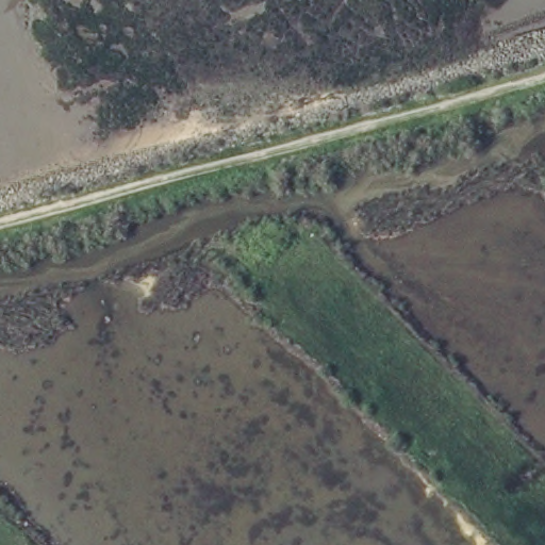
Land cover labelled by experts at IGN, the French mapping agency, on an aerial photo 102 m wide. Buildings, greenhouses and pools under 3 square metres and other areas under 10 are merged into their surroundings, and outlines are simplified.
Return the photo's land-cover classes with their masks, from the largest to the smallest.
<instances>
[{"label":"water","instance_id":"1","mask_svg":"<svg viewBox=\"0 0 545 545\"><path fill-rule=\"evenodd\" d=\"M545 153V134L530 138L522 147L517 155L522 164L530 162L534 155ZM341 189L332 185V192H315L311 196L294 194L277 198L268 189H238L234 194H224L219 198L189 196L185 202L175 204L172 211L155 209L153 219L134 221L126 230L121 241L68 255L64 262H53L47 255L32 260L28 268L9 273L0 270V298H13L30 290H43L53 285H66L70 292V296L57 304L60 326L51 332L45 345L21 351H0V485H9L15 494H19L26 500L32 519L23 526L32 528L40 536L43 545H477L473 536L462 532L456 515V509L451 505H447L439 494L430 492L422 477L407 468L400 460L385 447V441L379 432H375L370 426L362 422L358 413L338 404L334 394L309 364L294 356L290 349H285L279 341H275L266 330L251 326L247 321L245 311L230 298L226 290L209 285L204 292L194 294L183 309L155 307L143 313L138 311V300L145 294L141 287V279L130 283L100 281L102 275L115 270L164 260L181 249H187L198 238H209L219 232H232L241 224H258L260 219H307L321 224L330 215L334 219L338 217L336 198ZM356 241L358 253L362 255L364 264L370 266L375 273L383 275L387 281H392L394 287L404 283L400 296L411 300L422 326L426 328L434 317H441V321L430 330V336L424 341L432 343L443 360H453L460 353L466 356L470 373L479 381H483V387L477 392L481 398L492 400L498 411L509 415L511 411H519L522 426L534 436L530 445L545 456V200L536 192H526L522 187H505L494 189L473 202H460L449 211L434 213L426 221H411L400 230V234L394 236L362 234Z\"/></svg>","mask_w":545,"mask_h":545},{"label":"herbaceous vegetation","instance_id":"2","mask_svg":"<svg viewBox=\"0 0 545 545\"><path fill-rule=\"evenodd\" d=\"M545 70V64H541L532 70L492 77L481 87L496 85L500 81L522 79L526 75ZM528 94L543 96L545 100V83L524 89H511L498 96H490L464 106H453L424 117L385 123L375 130L349 134L298 151L279 153L266 160L217 168L213 172L194 175L160 187H151L130 196L104 200L92 207L75 209L68 213L0 230V241L32 238L38 232H57L66 221H87L102 213H117L123 207L155 209L172 211L175 204L185 202L189 196L219 198L224 194H234L238 189H268L273 183L281 179V175L287 168H294L298 175H302L307 158L332 155L338 151H356L364 143L385 141L396 134H407L415 128L424 130L428 123L479 117L483 111L496 106H511L515 100ZM449 96H432L424 94L413 98L402 104L404 109H417L447 100ZM373 113H358L347 121L330 123L326 119V113L319 111L317 121L307 123V130H281L268 141H241L215 153L196 158L192 162L198 164L238 153H249L294 138L334 130L347 123L373 119ZM505 187H522L526 192H536L545 200V153L534 155L530 162L522 164L509 168L490 166L483 170H468L456 177L451 185L434 192L404 189L396 194H381L379 198L360 204L353 213V219L362 234L394 236L400 234V230L411 221H426L434 213L449 211L460 202H473L494 189ZM277 224L273 219H260L258 224H241L232 232H219L209 238H198L187 249H181L164 260L115 270L102 275L100 281L130 283L141 279V287L145 294L138 300V311L143 313L155 307L183 309L194 294L204 292L209 285L226 290L230 298L245 311L247 321L251 326L266 330L275 341H279L285 349H290L294 356L309 364L313 360L324 368L328 364H334L338 370V379L362 394L358 413L362 422L370 426L375 432H379L385 441H396L400 432L411 434V449L400 460L407 468L422 477L430 492L439 494L447 505H451L456 509V515L464 513L466 519L475 528H479L492 545H545V456L530 445L511 428L509 415L498 411L492 400L481 398L477 392L458 373L453 360H443L432 343L424 341L396 313L394 302L383 298L381 287L375 281L364 279L353 268L347 255L341 251V245L334 241L330 228L321 224L307 219L300 226L296 245L290 247L287 253L279 255L275 243ZM70 296V292L66 285H53L43 290H30L13 298H0V351H21L45 345L51 332L60 326L57 304ZM0 545H43L40 536L32 528L23 526L13 507L0 496Z\"/></svg>","mask_w":545,"mask_h":545},{"label":"brushwood","instance_id":"3","mask_svg":"<svg viewBox=\"0 0 545 545\"><path fill-rule=\"evenodd\" d=\"M258 2L266 4L264 13L243 21L230 17L232 11ZM28 4L38 6L45 13V19L32 21L30 32L32 38L43 45V57L57 72L60 89L92 85L100 79L113 81L115 87L109 89V96L100 100L98 106V126L106 128L113 136L121 130L136 128L147 123V113L160 109L158 98L162 94H181L189 83L196 81L209 83L217 79H264L277 85H283L287 81L294 85H302L315 79V83H319L324 89L370 87L383 83H398L402 77L458 64L475 57L477 53L468 45H460L451 38L453 23L460 11L464 9L462 0H28ZM541 64L539 57H532L528 62H511L500 68H483L477 75H462L453 81H445L432 96H449L481 87L492 77L532 70ZM413 98L411 92H404L398 96L375 100L373 106L377 111L402 104ZM545 106V100L543 96L528 94L515 100L511 106H496L483 111L479 117L428 123L424 130L415 128L407 134H396L385 141L364 143L356 151H338L332 155L307 158L302 175H298L294 168H287L281 175V179L273 183L268 189L277 198L294 194L311 196L315 192H332V185L341 189L360 185V170L419 175L424 170H430L428 162L436 155L464 158L470 155V149L475 153H485L496 143V126L530 117L532 113ZM155 209L123 207L117 213H102L87 221H66L57 232H38L32 238L0 241V270L9 273L28 268L32 260L47 255L53 262H64L68 255L121 241L126 230L134 221L153 219ZM277 224L275 243L279 255L287 253L290 247L296 245L300 226L307 219H273ZM334 394L338 404L358 413L362 394L338 379V370L334 364H328L324 368L313 360L309 364ZM385 447L400 460L411 449V434L400 432L396 441H385ZM0 496L13 507L23 526L32 519L26 500L19 494H15L9 485H0Z\"/></svg>","mask_w":545,"mask_h":545},{"label":"bare soil","instance_id":"4","mask_svg":"<svg viewBox=\"0 0 545 545\"><path fill-rule=\"evenodd\" d=\"M45 19V13L38 6L28 4V0H0V189L6 179L19 181L32 175H47V170H57L62 166H77L81 162L98 160L100 155H109L111 145L106 141L113 136L106 128L98 126V106L100 100L109 96V89L115 87L113 81L100 79L92 85L60 89L57 72L43 57V45L32 38L30 32L32 21ZM464 9L460 11L453 23L451 38L460 45H468L477 53L481 51L479 47L483 15H490L492 19L502 23H511L545 11V0H462ZM266 4L258 2L232 11L230 17L243 21L264 13ZM330 98L328 92H319L317 96H313L273 92L260 106L251 109V113L260 115H279L283 106H304L315 100ZM219 113L215 106L192 111L187 119H179L172 113L162 111V119L158 123H147L136 128L143 134L138 143L143 149L175 147L177 143L185 141H200L204 134H219ZM545 134V106L532 113L530 117L496 126V143L485 153H475L470 149V155L464 158L436 155L428 162L430 170H424L419 175L360 170V185L341 189L336 198L338 217L334 219L330 215L321 224L330 228L334 241L341 245V251L347 255L353 268L364 279L375 281L381 287L383 298L394 302L396 313L424 341L430 336V330L441 321V317H434L426 328L422 326L411 300L400 296L404 283L394 287L392 281H387L383 275L375 273L370 266L364 264L362 255L358 253L356 241L362 234L353 219V213L360 204L379 198L381 194H396L404 189L434 192L451 185L456 177L468 170H483L490 166L509 168L522 164L517 155L522 147L530 138ZM458 373L477 392L483 387V381H479L470 373L466 356L460 353L453 360ZM511 428L530 445L534 436L522 426L519 411H511L509 415ZM462 532L473 536L477 545H492L479 528H475L466 519L464 513L456 515Z\"/></svg>","mask_w":545,"mask_h":545},{"label":"pervious surface","instance_id":"5","mask_svg":"<svg viewBox=\"0 0 545 545\"><path fill-rule=\"evenodd\" d=\"M481 51L477 53L475 57L458 64L402 77L398 83H383L370 87L324 89L319 83H315V79L302 85H294L287 81L283 85H277L264 79H217L209 83L196 81L189 83L181 94H162L158 98L160 109L147 113V123H158L162 119V111L172 113L179 119H187L192 111L215 106L219 113V134H204L200 141H185L177 143L175 147L143 149L138 143L143 134L136 128L121 130L113 136L106 141L111 145L109 155H100L98 160L81 162L77 166H62L57 170H47V175H32L19 181L6 179L0 189V230L68 213L75 209L92 207L104 200L130 196L151 187H160L194 175L213 172L217 168L266 160L279 153L298 151L349 134L375 130L385 123L424 117L453 106H464L490 96H498L511 89H524L545 83V70L526 75L522 79L500 81L496 85L481 87L449 96L447 100L417 109H404L402 104L377 111L373 106L375 100L398 96L404 92H411L413 98L424 94L432 96L445 81H453L462 75H477L483 68H500L511 62H528L532 57H539L541 64H545V11L511 23H502L492 19L490 15H483L479 47ZM273 92L313 96H317L319 92H328L330 98L315 100L304 106H283L279 115H260L251 113V109L260 106ZM319 111L326 113V119L330 123L347 121L358 113H373V119L347 123L334 130L294 138L249 153H238L198 164L192 162L196 158L215 153L241 141H268L281 130H307V123L317 121Z\"/></svg>","mask_w":545,"mask_h":545}]
</instances>
